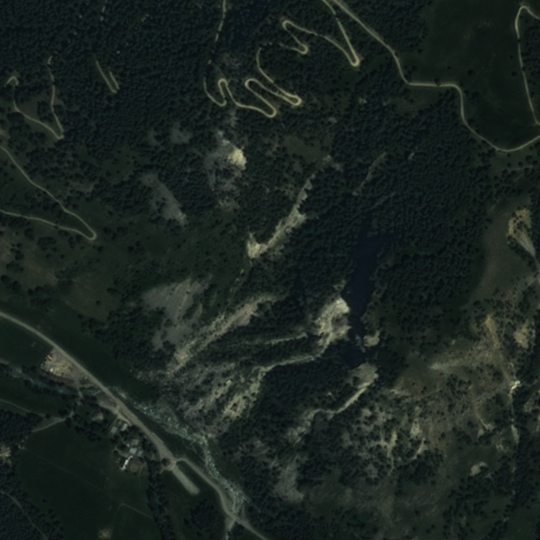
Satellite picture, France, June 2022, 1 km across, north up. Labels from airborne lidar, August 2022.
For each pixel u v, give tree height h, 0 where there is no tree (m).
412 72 16
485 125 0
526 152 0
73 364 0
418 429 0
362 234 18
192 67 19
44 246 13
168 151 12
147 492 0
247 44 13
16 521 22
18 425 22
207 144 19
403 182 24
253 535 0
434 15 0
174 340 0
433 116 14
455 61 0
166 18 22
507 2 0
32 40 31
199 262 7
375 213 16
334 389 10
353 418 14
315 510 0
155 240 0
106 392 0
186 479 0
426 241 22
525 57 15
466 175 23
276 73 19
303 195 0
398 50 8
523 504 19
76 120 18
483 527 0
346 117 16
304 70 25
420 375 0
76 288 0
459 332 9
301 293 13
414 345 10
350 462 16
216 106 17
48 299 7
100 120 27
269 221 17
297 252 11
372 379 0
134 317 13
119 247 0
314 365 16
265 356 14
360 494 6
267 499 22
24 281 0
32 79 26
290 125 18
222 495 0
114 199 12
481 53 0
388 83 15
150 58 26
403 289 28
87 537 0
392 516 0
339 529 8
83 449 0
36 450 0
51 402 0
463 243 19
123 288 10
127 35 26
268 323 7
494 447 0
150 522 0
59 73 20
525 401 12
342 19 19
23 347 0
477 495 21
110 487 0
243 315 0
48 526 26
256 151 17
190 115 10
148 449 17
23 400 0
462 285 24
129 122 21
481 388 0
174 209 0
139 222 0
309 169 14
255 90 20
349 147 23
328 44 18
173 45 31
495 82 0
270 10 18
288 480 0
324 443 14
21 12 26
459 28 0
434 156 26
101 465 0
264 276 13
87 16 28
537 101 0
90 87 22
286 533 19
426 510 0
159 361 12
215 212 13
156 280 10
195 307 9
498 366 0
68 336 0
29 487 0
